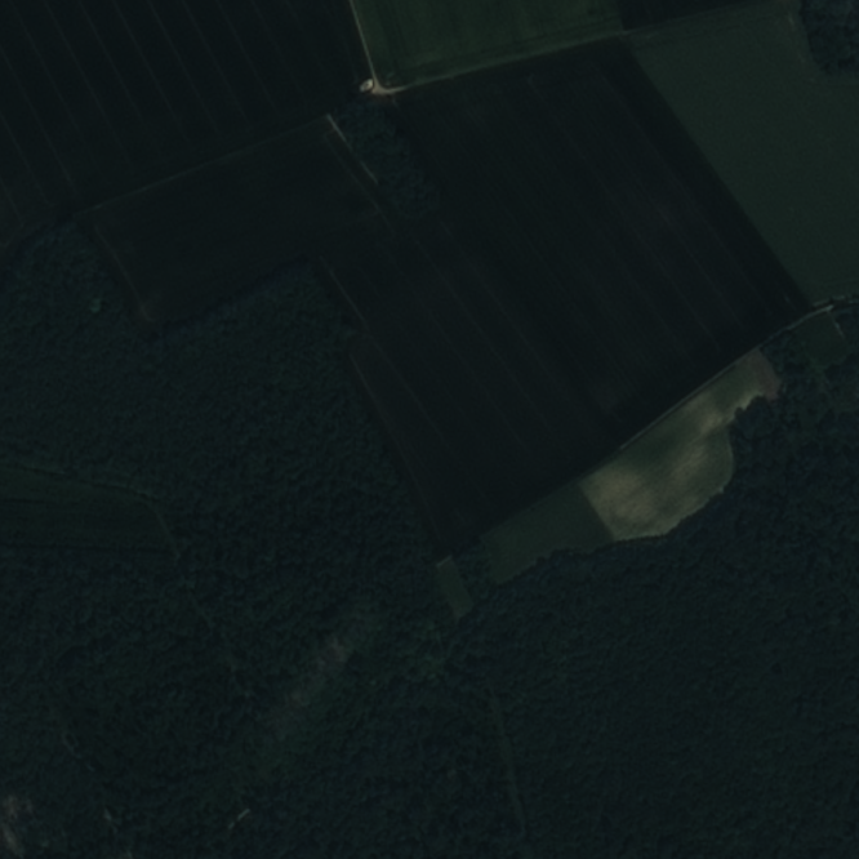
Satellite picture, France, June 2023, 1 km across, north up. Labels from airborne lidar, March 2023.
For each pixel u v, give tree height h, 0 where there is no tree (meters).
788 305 0
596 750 24
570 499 0
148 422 20
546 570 17
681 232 0
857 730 22
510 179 0
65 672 13
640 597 19
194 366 22
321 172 0
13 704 19
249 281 0
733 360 0
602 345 0
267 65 0
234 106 0
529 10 0
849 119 0
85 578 26
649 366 0
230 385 19
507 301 0
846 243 0
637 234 0
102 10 0
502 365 0
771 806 25
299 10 0
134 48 0
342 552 23
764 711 21
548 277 0
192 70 0
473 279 0
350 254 0
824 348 0
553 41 0
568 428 0
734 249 0
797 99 0
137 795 28
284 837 24
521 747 14
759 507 23
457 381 0
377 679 10
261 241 0
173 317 0
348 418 23
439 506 0
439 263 0
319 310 18
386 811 19
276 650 27
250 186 0
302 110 0
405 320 0
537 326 0
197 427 21
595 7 0
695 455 0
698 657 18
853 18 21
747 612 23
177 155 0
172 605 21
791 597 26
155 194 0
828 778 23
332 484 21
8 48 0
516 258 0
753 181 0
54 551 11
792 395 8
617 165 0
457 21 0
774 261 0
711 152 0
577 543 0
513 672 19
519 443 0
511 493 0
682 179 0
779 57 0
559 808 22
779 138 0
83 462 14
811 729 23
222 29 0
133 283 0
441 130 0
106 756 7
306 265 18
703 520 16
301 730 23
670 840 21
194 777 23
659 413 0
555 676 10
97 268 17
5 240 0
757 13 0
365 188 0
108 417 18
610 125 0
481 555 10
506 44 0
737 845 18
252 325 20
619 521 0
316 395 21
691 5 0
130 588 22
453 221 0
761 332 0
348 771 18
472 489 0
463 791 7
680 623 17
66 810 24
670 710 20
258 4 0
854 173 0
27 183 0
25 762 23
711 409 0
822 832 26
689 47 0
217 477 24
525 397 0
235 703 23
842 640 27
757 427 22
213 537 22
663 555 15
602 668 20
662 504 0
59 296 20
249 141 0
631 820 26
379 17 0
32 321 14
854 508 27
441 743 24
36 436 9
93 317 19
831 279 0
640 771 24
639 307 0
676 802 16
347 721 11
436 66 0
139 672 21
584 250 0
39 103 0
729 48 0
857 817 26
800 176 0
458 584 0
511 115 0
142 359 20
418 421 0
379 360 0
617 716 19
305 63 0
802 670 26
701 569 19
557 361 0
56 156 0
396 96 0
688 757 24
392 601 20
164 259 0
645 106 0
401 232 0
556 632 19
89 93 0
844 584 26
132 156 0
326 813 17
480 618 10
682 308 0
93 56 0
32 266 17
